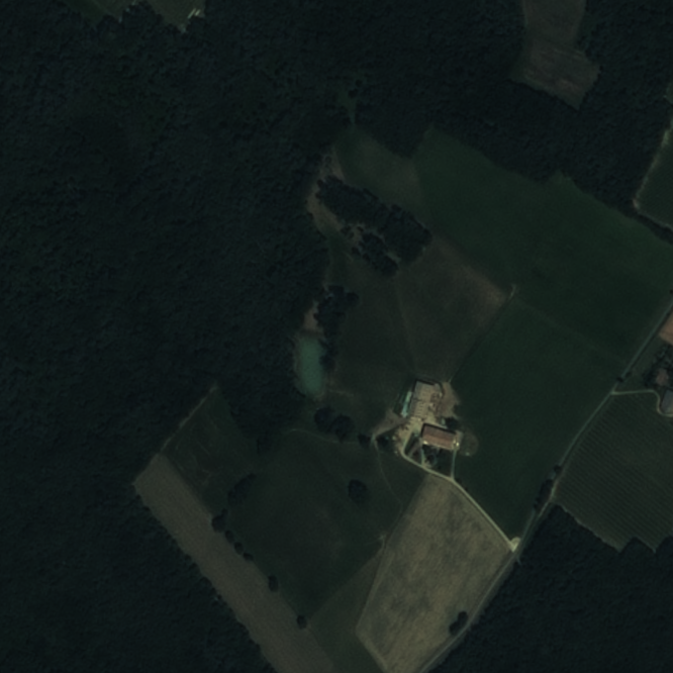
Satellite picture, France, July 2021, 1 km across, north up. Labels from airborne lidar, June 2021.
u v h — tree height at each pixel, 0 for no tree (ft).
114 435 63
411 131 57
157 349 79
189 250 79
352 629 0
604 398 0
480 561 0
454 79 67
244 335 69
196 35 63
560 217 0
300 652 0
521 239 0
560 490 0
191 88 90
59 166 89
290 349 64
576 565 30
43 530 75
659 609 48
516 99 45
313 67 61
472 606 0
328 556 0
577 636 60
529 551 40
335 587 0
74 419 56
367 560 0
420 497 0
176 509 0
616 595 53
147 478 0
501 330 0
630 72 66
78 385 81
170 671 64
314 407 0
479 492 0
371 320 0
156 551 43
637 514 0
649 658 59
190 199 80
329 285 0
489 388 0
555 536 39
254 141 63
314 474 0
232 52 55
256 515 0
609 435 0
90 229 67
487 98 59
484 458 0
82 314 61
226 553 0
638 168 60
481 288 0
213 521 23
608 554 48
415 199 0
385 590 0
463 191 0
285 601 0
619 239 0
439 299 0
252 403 81
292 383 72
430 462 40
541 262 0
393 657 0
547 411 0
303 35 70
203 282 48
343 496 0
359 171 0
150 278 72
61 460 73
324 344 69
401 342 0
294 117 44
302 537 0
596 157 58
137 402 85
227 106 69
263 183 72
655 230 42
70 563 62
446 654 0
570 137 63
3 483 75
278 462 0
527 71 0
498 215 0
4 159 83
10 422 31
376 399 0
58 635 75
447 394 0
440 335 0
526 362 0
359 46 83
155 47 85
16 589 64
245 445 0
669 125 47
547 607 68
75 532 59
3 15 53
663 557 71
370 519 0
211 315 60
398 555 0
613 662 69
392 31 85
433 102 35
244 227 66
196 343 65
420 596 0
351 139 0
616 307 0
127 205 81
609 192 60
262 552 0
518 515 0
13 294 62
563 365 0
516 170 45
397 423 0
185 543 0
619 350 0
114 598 85
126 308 56
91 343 76
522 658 53
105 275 69
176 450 0
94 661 68
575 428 0
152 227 74
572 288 0
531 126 47
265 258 49
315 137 39
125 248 70
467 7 52
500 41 79
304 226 72
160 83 80
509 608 37
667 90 38
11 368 70
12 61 74
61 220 54
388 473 0
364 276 0
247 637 65
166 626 69
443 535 0
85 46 54
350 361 0
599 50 53
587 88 0
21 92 75
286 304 64
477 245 0
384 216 74
